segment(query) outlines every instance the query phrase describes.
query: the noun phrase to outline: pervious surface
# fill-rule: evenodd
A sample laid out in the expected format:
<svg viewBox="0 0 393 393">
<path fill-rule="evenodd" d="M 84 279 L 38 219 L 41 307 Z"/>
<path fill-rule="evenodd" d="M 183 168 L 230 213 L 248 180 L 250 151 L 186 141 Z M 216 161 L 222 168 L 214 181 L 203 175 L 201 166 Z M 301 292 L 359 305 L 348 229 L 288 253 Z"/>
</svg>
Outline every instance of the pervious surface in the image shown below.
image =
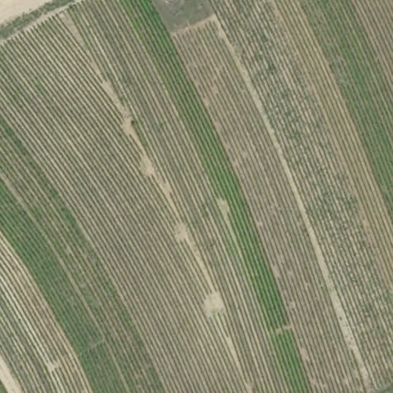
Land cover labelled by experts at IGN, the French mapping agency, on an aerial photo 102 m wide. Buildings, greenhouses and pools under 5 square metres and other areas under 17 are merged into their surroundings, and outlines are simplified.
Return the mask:
<svg viewBox="0 0 393 393">
<path fill-rule="evenodd" d="M 8 365 L 0 355 L 0 393 L 21 393 L 20 385 L 12 378 Z"/>
<path fill-rule="evenodd" d="M 35 11 L 52 0 L 0 0 L 0 25 Z"/>
</svg>

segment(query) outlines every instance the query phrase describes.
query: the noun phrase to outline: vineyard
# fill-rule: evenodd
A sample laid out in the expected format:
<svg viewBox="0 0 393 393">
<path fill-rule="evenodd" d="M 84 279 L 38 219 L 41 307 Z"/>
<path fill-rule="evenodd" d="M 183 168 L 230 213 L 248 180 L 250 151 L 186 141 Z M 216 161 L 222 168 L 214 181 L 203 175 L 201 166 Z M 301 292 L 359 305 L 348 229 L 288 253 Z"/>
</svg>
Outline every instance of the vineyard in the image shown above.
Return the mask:
<svg viewBox="0 0 393 393">
<path fill-rule="evenodd" d="M 20 385 L 21 393 L 393 393 L 393 0 L 52 0 L 35 11 L 0 25 L 0 355 L 8 365 L 12 378 Z"/>
</svg>

